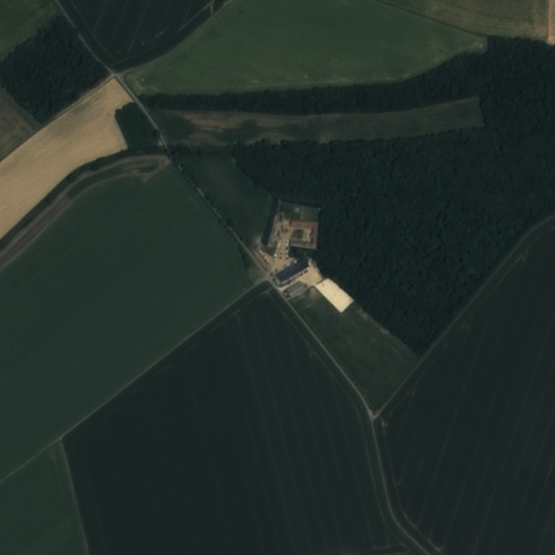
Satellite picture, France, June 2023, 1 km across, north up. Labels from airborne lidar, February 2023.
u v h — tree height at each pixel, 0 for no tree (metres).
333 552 0
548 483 0
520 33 0
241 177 0
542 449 0
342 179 19
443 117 0
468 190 21
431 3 0
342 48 0
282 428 0
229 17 0
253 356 0
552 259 0
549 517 0
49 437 0
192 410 0
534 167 20
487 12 0
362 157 21
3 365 0
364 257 21
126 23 0
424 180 18
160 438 0
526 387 0
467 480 0
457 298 21
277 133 0
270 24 0
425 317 20
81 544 0
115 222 0
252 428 0
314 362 0
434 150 23
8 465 0
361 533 0
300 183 17
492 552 0
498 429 0
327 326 0
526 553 0
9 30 0
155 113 0
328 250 13
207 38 0
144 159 0
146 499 0
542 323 0
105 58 0
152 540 0
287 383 0
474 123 0
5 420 0
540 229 0
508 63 19
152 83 0
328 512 0
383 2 0
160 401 0
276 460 0
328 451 0
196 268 0
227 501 0
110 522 0
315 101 17
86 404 0
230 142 0
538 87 26
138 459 0
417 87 18
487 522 0
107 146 0
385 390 0
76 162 0
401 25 0
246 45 0
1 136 0
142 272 0
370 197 19
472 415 0
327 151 24
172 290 0
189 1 0
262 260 0
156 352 0
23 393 0
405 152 23
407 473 0
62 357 0
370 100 20
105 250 0
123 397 0
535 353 0
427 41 0
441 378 0
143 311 0
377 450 0
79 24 0
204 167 0
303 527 0
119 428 0
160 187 0
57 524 0
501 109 22
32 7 0
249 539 0
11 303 0
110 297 0
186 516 0
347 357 0
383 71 0
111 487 0
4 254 0
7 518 0
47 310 0
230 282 0
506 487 0
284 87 0
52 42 22
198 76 0
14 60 17
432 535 0
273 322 0
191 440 0
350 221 18
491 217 24
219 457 0
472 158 23
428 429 0
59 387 0
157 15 0
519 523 0
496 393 0
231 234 11
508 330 0
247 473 0
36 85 17
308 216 0
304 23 0
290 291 0
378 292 18
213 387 0
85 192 0
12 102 0
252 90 0
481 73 14
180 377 0
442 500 0
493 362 0
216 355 0
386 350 0
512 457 0
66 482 0
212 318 0
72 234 0
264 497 0
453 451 0
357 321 0
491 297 0
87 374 0
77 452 0
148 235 0
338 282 12
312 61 0
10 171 0
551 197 18
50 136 0
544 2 0
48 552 0
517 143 23
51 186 0
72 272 0
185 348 0
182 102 13
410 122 0
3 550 0
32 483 0
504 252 11
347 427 0
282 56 0
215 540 0
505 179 20
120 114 12
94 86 14
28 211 0
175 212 0
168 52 0
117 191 0
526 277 0
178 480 0
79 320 0
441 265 25
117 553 0
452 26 0
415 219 19
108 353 0
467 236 22
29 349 0
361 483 0
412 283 20
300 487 0
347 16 0
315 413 0
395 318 18
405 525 0
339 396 0
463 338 0
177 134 0
